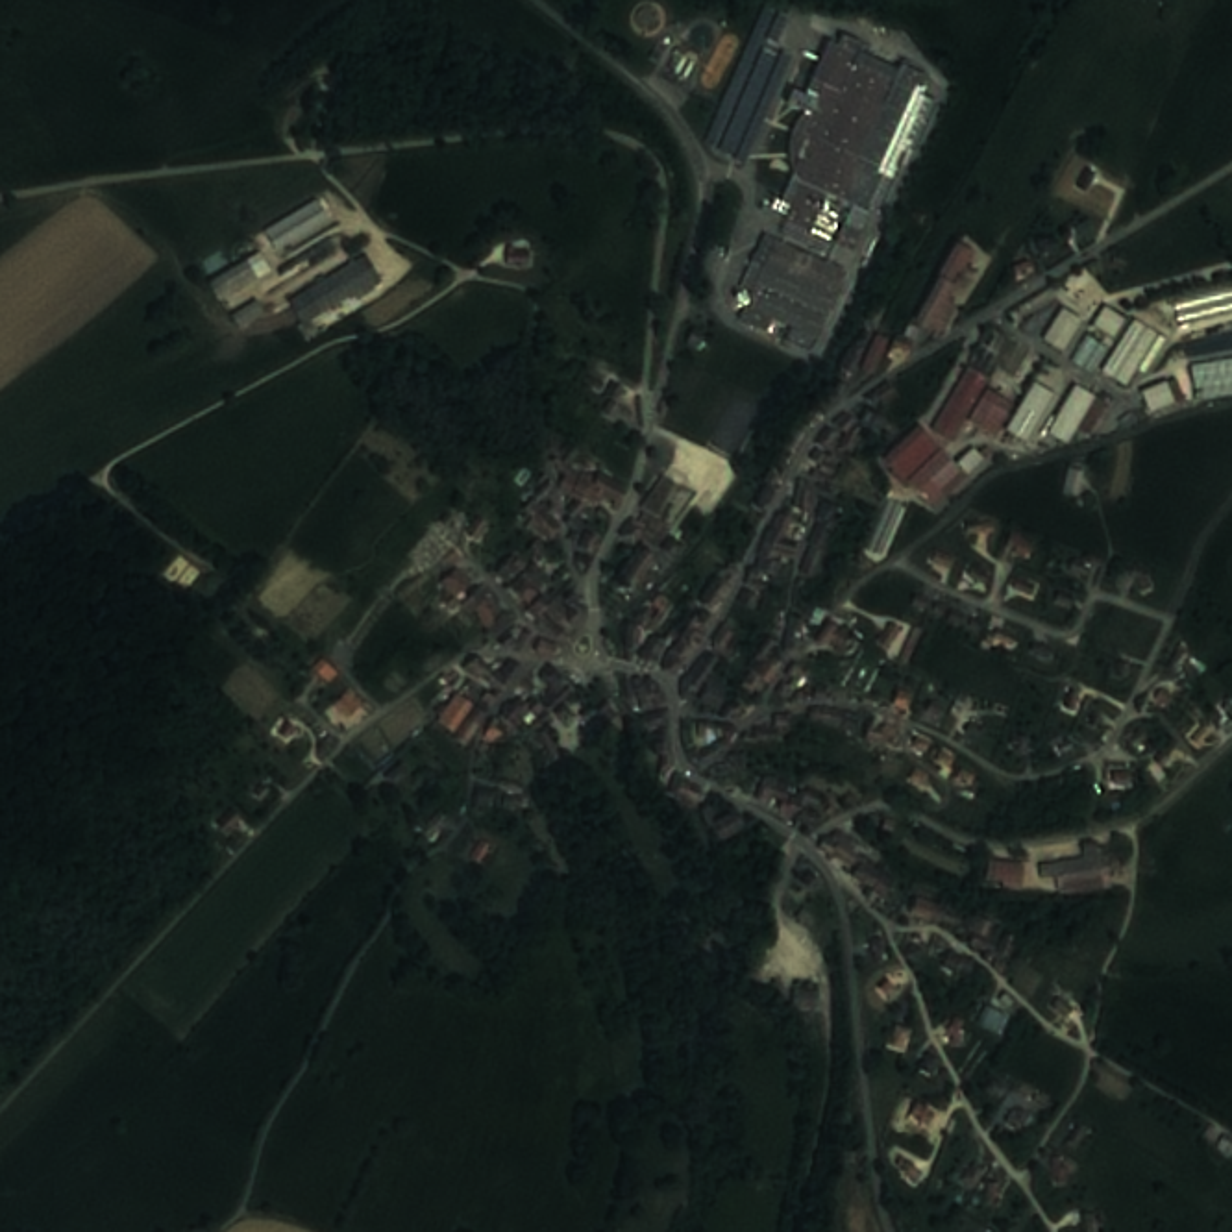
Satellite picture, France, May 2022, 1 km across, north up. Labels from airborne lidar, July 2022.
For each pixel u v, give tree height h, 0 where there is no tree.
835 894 0
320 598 0
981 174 0
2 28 0
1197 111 0
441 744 0
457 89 24
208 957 0
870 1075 12
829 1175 10
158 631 32
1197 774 0
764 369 0
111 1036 0
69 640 30
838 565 14
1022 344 0
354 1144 0
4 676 30
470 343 0
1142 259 0
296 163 0
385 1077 0
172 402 0
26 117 0
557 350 11
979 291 0
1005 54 0
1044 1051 0
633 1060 0
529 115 11
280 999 0
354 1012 0
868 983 0
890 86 0
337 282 0
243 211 10
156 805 20
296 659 12
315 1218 0
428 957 17
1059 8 11
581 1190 12
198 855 18
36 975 13
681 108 0
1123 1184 0
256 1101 0
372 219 0
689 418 0
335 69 14
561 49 0
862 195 0
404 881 17
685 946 27
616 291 0
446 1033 0
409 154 0
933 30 0
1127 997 0
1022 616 0
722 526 6
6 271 0
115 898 12
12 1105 0
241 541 0
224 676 0
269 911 0
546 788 28
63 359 0
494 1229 0
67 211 0
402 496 0
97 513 30
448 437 23
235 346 0
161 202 0
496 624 0
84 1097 0
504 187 0
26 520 27
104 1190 0
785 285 0
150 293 0
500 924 16
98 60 0
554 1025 0
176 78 0
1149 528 0
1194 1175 0
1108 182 0
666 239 0
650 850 0
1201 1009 0
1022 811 13
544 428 16
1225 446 0
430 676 0
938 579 0
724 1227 0
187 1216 0
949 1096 9
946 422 0
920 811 15
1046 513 0
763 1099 0
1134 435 0
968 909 8
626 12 0
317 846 0
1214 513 0
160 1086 0
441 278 9
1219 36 0
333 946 0
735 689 9
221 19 15
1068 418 0
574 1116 9
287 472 0
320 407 0
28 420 0
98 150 0
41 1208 0
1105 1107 0
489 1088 0
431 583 0
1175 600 0
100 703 30
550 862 8
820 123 0
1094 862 0
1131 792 15
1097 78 0
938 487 0
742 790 0
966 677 0
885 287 14
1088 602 0
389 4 16
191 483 0
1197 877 0
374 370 9
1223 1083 0
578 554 7
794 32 0
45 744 29
